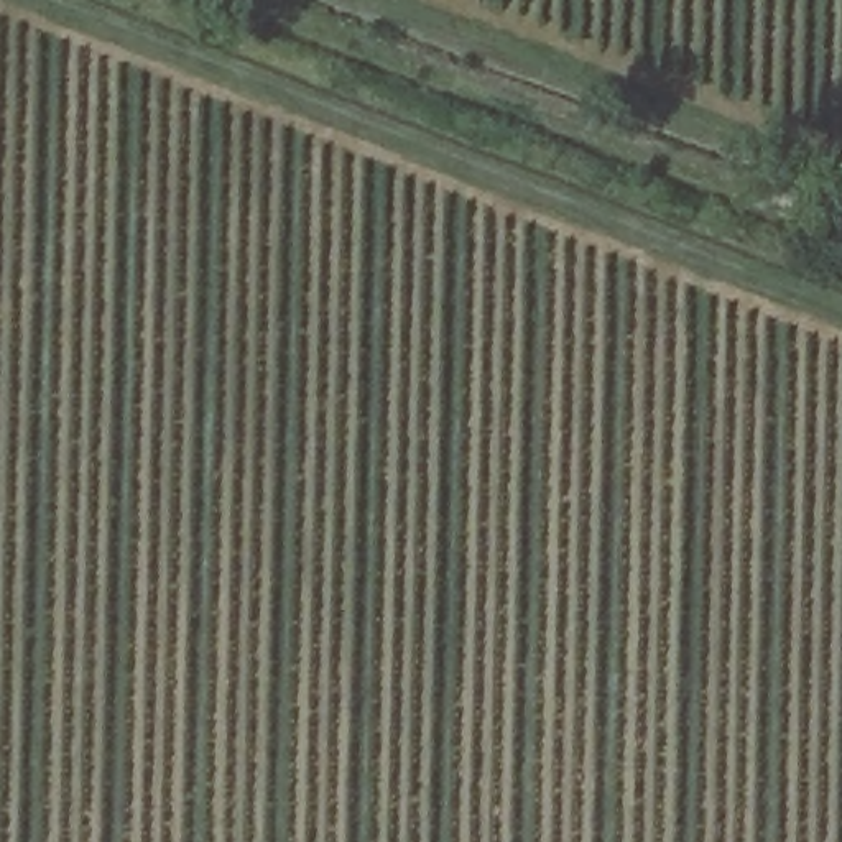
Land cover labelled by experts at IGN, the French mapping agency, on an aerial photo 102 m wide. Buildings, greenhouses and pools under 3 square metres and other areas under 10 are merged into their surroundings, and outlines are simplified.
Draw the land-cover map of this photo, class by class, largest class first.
<instances>
[{"label":"vineyard","instance_id":"1","mask_svg":"<svg viewBox=\"0 0 842 842\"><path fill-rule=\"evenodd\" d=\"M0 842H842V326L816 319L803 309L780 306L760 293L730 286L724 280L691 273L678 263L651 257L641 247L507 201L437 168H428L401 151L319 125L276 102L237 92L194 72H184L164 59L135 49H122L92 33L62 26L13 0H0ZM493 10L530 13L539 23L562 26V33L572 39L599 43V66L608 72L625 76L638 56H651L655 62H661L664 49L681 46L694 53V99L697 105L747 122L753 128L763 125L760 105H766L770 95L783 102V112H803V105L819 109L822 82L842 79V0H483Z\"/></svg>","mask_w":842,"mask_h":842},{"label":"deciduous trees","instance_id":"2","mask_svg":"<svg viewBox=\"0 0 842 842\"><path fill-rule=\"evenodd\" d=\"M171 7H181V30L187 33L184 49L191 62H197L194 72L237 92L276 102L319 125L401 151L428 168H437L507 201L641 247L651 257L678 263L691 273L724 280L730 286L760 293L780 306L803 309L816 319L842 326V161L835 145H829L819 158H809L799 148H780L783 112V102L770 95L766 105H760L763 125L753 128L747 122L697 105L694 99L681 102L671 112L668 125H645L622 102L618 89L608 82V72L599 66L424 0H312V7L296 16V23L280 39H260L250 33V0H168ZM536 122L559 135L582 138L608 155L641 161L645 168L655 155H661L668 158V168L678 181L701 187V197H681L648 174L605 168L569 148L543 141L530 135Z\"/></svg>","mask_w":842,"mask_h":842},{"label":"herbaceous vegetation","instance_id":"3","mask_svg":"<svg viewBox=\"0 0 842 842\"><path fill-rule=\"evenodd\" d=\"M62 26L92 33L122 49H135L164 59L184 72H194L197 62H191L184 49L187 33L181 30V7H171L168 0H13ZM312 7V0H250V33L260 39H280L296 23V16ZM599 66V43L572 39L562 33V26L539 23L530 13L493 10L483 0H424ZM694 53L681 46L664 49L661 62H655L651 56H638L625 76L608 72V82L618 89L622 102L645 125H668L671 112L681 102L694 99ZM829 145H835L842 161V79L822 82L819 109L803 105V112H783L780 148H799L809 158H819ZM530 135L543 141L569 148L605 168L648 174L681 197H701V187L678 181L668 168V158L661 155H655L645 168L641 161L608 155L582 138L559 135L536 122Z\"/></svg>","mask_w":842,"mask_h":842}]
</instances>
